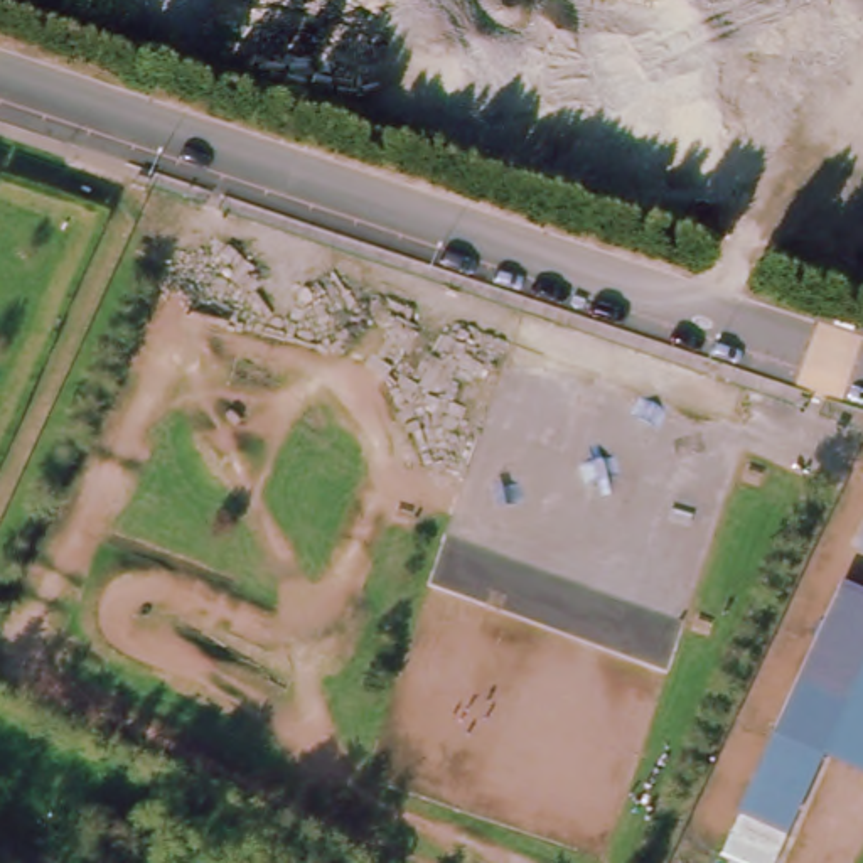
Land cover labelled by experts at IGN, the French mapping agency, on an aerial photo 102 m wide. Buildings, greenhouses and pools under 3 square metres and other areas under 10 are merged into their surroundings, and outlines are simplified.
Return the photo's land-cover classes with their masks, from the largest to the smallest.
<instances>
[{"label":"impervious surface","instance_id":"1","mask_svg":"<svg viewBox=\"0 0 863 863\"><path fill-rule=\"evenodd\" d=\"M0 138L54 155L71 169L121 185L118 216L111 229L101 233L105 246L91 263L88 280L74 293L67 334L51 361L44 388L0 475V523L17 496L24 465L34 458L40 428L71 371L74 351L101 303V293L121 260L128 236L145 239L135 229V222L142 219V206L135 202V196L152 185L189 196L192 206L212 202L229 219H253L287 236L307 239L330 253V270H344L371 290H391L388 283L401 270L408 276L465 293L472 300L492 303L526 320L516 354L502 367H492L485 381H465V394L475 401V425H485V435L472 438V458L458 455V462H452L458 472H465V509L455 519H435V539L445 546L438 566H428V580L667 667L684 630L688 614L698 607V583L711 560V546L728 496L745 485H758L772 472V465L792 475L809 472H826L836 482V502L826 506L829 523L819 529L809 563L792 570V576H799V587L789 600L785 617L772 630V644L748 688V698L725 721L728 738L721 745V755L718 762L701 765V772H708L711 782L698 806V816L678 809V823L671 833L674 863H725L721 846L735 819L745 816V785L755 779L758 758L769 748L796 694L809 654L819 644L823 624L833 614L843 583L850 580V566L853 560H860L863 546V330L850 320H823L806 310L775 303L765 293H755L748 300L715 297L698 280V273L624 246H610L597 236H576L560 226L533 222L523 212L469 199L428 179L398 172L394 165H371L314 142H297L260 125L212 115L196 101H182L165 91H135L98 64L67 61L61 54L40 51L37 44H24L17 37L0 34ZM785 843L775 863H863V769L843 758L823 762L809 799L799 806L796 823L782 829Z\"/></svg>","mask_w":863,"mask_h":863},{"label":"bare soil","instance_id":"2","mask_svg":"<svg viewBox=\"0 0 863 863\"><path fill-rule=\"evenodd\" d=\"M175 256L169 260L162 280V300L145 327V344L131 361V384H118L115 391L118 408L105 421V438L115 452H125L128 458H148V428L172 411H185L196 432L192 445L202 458V469L212 482L229 489V516H239L263 546V563L276 580V610L263 614L256 607L236 603L209 590L206 583L179 580L162 570H131L111 576L101 590V634L128 661L148 664V671L179 694H189L202 705H216L219 711H236L249 701L270 708L280 748H287L290 755L314 752L327 738H337L324 698V678L337 674L347 664L367 624V610H357L351 603V597L364 590L371 573V560L364 553L367 543L378 539L388 526L411 529L425 519H455L465 509V472H458L452 462H458V455L472 458V438L485 435V425H475V401L465 394V381H485L492 367H502L516 354L526 320L492 303L472 300L465 293L408 276L401 270L388 283L391 290H371L344 270H330V253L307 239L287 236L253 219H229L212 202L192 206L182 209L179 233L172 236ZM293 425L310 432L314 448H327L354 435L367 465L357 485V499L351 502L347 519L340 526L344 543L330 553V563L317 580L303 576L290 539L260 499L273 475L276 452ZM78 502L71 523L47 539V549L30 566V590L24 603L10 610L3 624L7 641L20 637L44 607H51L54 597L64 593L67 583L81 587V573L91 566L98 546L105 539L121 536L115 516L128 506L135 479L118 465L88 462L81 479L74 482ZM667 678V667L428 580L425 600L411 620V647L398 674L394 688V711L384 715L378 752H391V762L415 775L405 799V823L418 833L411 863H630L644 836H651L654 823L651 809L641 806V796L630 792V782L637 775L654 725L657 694Z\"/></svg>","mask_w":863,"mask_h":863},{"label":"herbaceous vegetation","instance_id":"3","mask_svg":"<svg viewBox=\"0 0 863 863\"><path fill-rule=\"evenodd\" d=\"M20 175L40 182L44 192H71L91 199L88 206L98 212L91 243L67 283L61 314L51 324L37 317V307L51 287L57 263L64 260L67 243L47 216L0 199V475L44 388L51 361L67 334L74 293L88 280L91 263L105 246L101 233L111 229L118 216L121 185L71 169L54 155L0 138V182ZM27 330H34L47 344L40 347L34 361L37 374H30V384L24 391L7 374L17 367V354ZM135 202L142 206V219L135 222V229L145 239L128 236L121 260L101 293V303L74 351L71 371L40 428L34 458L24 465L17 496L0 523V684L13 691H30L40 705L67 718H78L101 738H118L138 752L165 755L175 762H199L216 775L229 779L239 792L263 796L266 806H273L276 812L290 809L293 816H307L320 826L340 829L371 853L367 863H411L418 833L405 823V799L415 775L391 762V752H378L384 715L394 711V688H391V691H367V688H364V674H367V667L374 664V661H378L381 667H384V671H394V674H398L411 647V620L425 600L428 580V566H438L445 546L435 539V519H425L411 529L388 526L378 539L367 543L364 553L371 560V573L364 590L351 597V603L357 610H367V624L347 664L337 674L324 678V698L337 738H327L314 752L290 755L287 748H280L270 708L249 701L236 711H219L216 705H202L189 694H179L148 671V664L128 661L101 634V590L111 576L131 570H162L179 580L206 583L209 590L236 603L256 607L263 614L276 610V580L263 563V546L239 516H229V489L212 482L202 469V458L192 445L196 432L185 411H172L148 428V458H128L125 452H115L105 438V421L118 408L115 391L118 384H131V361L145 344V327L162 300V280L169 260L175 256L172 236L179 233L182 209L192 206L189 196L152 185L135 196ZM88 462L118 465L135 479L128 506L115 516L121 536L105 539L98 546L91 566L81 573V587L67 583L64 593L54 597L51 607H44L20 637L7 641L3 624L10 610L24 603L30 590V566L47 549V539L71 523L78 502L74 482L81 479ZM367 465L354 435L327 448H314L310 432L293 425L276 452L273 475L260 499L290 539L303 576L317 580L330 563V553L344 543L340 526L347 519L351 502L357 499V485ZM809 472L792 475L772 465V472L758 485H745L728 496L711 546V560L698 583V607L711 614V634L701 637L684 630L667 667V678L657 694L654 725L637 775L630 782V792L641 796V806L651 809L654 823L651 836H644L630 863H674L671 833L678 823V809L698 816V806L711 782L708 772H701V765L718 762L721 755V745L728 738L725 721L748 698V688L772 644V630L785 617L789 600L799 587V576H792V570L809 563L819 529L829 523L826 506L806 496ZM34 758L71 762L67 755L54 752L44 738H30L17 728H0V775H24V769ZM148 802V796L121 769L94 775L84 762H71L54 819H40L30 806L20 802L0 806V863H88L78 853L81 809L94 806L108 819H128L135 806Z\"/></svg>","mask_w":863,"mask_h":863},{"label":"pervious surface","instance_id":"4","mask_svg":"<svg viewBox=\"0 0 863 863\"><path fill-rule=\"evenodd\" d=\"M37 10H51L78 24L118 34L131 44H165L182 57L212 67V74L239 71L249 74L256 88L283 84L293 98L330 101L367 121H384L391 128L445 135L448 142L475 148L512 169L560 175L580 182L590 192L637 202L644 209L681 212L684 219H694L708 226L715 236H721L718 260L698 273V280L715 297L748 300L755 293L748 287V276L765 246L806 260L819 270H836L853 283H863V0H20ZM0 199L47 216L67 243L64 260L57 263L51 287L37 307V317L51 324L61 314L67 283L91 243L98 212L88 206L91 199L71 192H44L40 182L20 175L0 182ZM47 344L34 330H27L17 354V367L7 374L24 391L30 384V374H37L34 361L40 347Z\"/></svg>","mask_w":863,"mask_h":863},{"label":"brushwood","instance_id":"5","mask_svg":"<svg viewBox=\"0 0 863 863\"><path fill-rule=\"evenodd\" d=\"M0 34L17 37L24 44H37L40 51L61 54L67 61L98 64L135 91H165L182 101H196L212 115L260 125L297 142H314L371 165H394L398 172L428 179L469 199L523 212L533 222L560 226L576 236H597L610 246H624L698 273L718 260L721 236H715L708 226L694 219H684L681 212L644 209L637 202L590 192L580 182L560 175L512 169L475 148L448 142L445 135L391 128L384 121H367L330 101L293 98L283 84L256 88L249 74L239 71L212 74V67L182 57L165 44H131L118 34L78 24L51 10H37L20 0H0ZM748 287L755 293H765L775 303L806 310L823 320H850L863 330V283H853L836 270H819L806 260L765 246L748 276Z\"/></svg>","mask_w":863,"mask_h":863},{"label":"deciduous trees","instance_id":"6","mask_svg":"<svg viewBox=\"0 0 863 863\"><path fill-rule=\"evenodd\" d=\"M806 496L826 506L836 502V482L826 472H809ZM398 674H394V671H384V667H381L378 661H374V664L367 667V674H364V688H367V691H391V688H394ZM0 728H17L30 738H44L54 752L67 755L71 762H84L94 775L121 769L148 796V802L135 806L128 819H108L94 806L81 809L78 853L88 863H367L371 853L340 829L320 826L307 816H293L290 809L276 812L273 806H266L263 796L239 792L229 779L216 775L199 762H175L165 755L138 752L118 738H101L78 718H67L40 705L30 691H13L0 684ZM71 762L34 758L24 769V775H0V806L20 802L30 806L40 819H54Z\"/></svg>","mask_w":863,"mask_h":863},{"label":"building","instance_id":"7","mask_svg":"<svg viewBox=\"0 0 863 863\"><path fill-rule=\"evenodd\" d=\"M843 758L863 769V546L860 560H853L850 566V580L843 583L833 614L823 624L819 644L809 654L796 694L769 748L758 758L755 779L745 785V816L735 819L721 846L725 863H775L785 843L782 829L796 823L799 806L809 799L823 762ZM684 630L701 637L711 634V614L698 607L688 614Z\"/></svg>","mask_w":863,"mask_h":863}]
</instances>
